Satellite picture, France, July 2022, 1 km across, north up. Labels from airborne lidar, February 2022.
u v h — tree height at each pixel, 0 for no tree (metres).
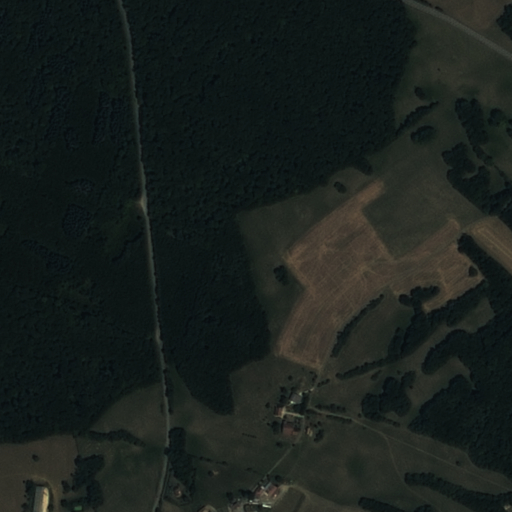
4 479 0
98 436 15
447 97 0
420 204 0
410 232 0
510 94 0
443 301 0
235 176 19
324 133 19
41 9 18
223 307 24
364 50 25
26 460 0
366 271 0
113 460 0
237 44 20
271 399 0
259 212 0
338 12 15
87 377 22
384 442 0
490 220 0
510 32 11
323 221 0
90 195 7
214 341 25
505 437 13
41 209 11
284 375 0
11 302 24
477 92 0
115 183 16
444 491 7
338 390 0
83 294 15
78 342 21
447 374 0
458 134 0
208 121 22
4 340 24
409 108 0
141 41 20
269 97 22
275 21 19
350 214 0
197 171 20
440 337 0
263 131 21
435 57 0
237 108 19
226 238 20
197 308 19
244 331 27
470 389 18
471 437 18
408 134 0
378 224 0
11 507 0
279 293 0
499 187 0
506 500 10
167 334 15
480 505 14
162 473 0
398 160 0
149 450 0
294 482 0
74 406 23
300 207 0
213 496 0
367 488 0
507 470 12
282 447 11
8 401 8
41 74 24
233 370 17
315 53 18
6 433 23
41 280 11
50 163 11
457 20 0
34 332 29
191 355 23
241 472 0
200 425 0
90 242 10
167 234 10
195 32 15
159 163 19
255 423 0
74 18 21
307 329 0
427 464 0
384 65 24
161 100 21
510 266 0
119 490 0
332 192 0
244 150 18
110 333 19
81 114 10
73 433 8
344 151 19
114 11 20
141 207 0
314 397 0
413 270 0
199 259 15
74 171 14
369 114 20
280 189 20
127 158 22
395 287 0
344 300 0
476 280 0
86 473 15
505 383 19
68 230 22
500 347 19
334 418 7
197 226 18
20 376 23
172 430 6
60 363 21
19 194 8
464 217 0
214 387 21
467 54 0
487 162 16
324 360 0
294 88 18
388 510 12
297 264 0
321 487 0
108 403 12
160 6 18
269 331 19
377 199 0
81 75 22
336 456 0
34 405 21
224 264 20
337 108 21
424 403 0
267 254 0
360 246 0
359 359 0
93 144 11
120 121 22
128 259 12
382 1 19
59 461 0
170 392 17
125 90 20
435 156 0
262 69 21
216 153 22
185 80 24
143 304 12
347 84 19
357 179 0
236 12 20
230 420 0
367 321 0
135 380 18
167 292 15
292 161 21
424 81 0
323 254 0
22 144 22
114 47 21
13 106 19
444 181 0
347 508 0
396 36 21
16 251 13
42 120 25
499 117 22
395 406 6
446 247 0
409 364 0
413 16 0
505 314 12
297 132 20
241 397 0
